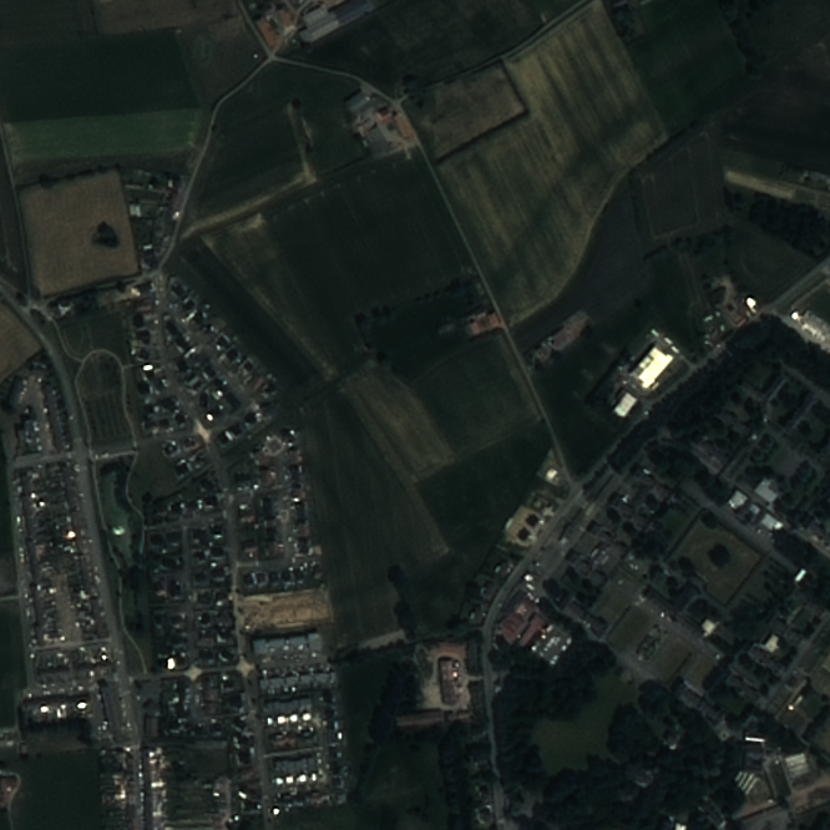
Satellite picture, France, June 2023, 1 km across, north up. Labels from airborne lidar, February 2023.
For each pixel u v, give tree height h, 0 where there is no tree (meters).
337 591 0
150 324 0
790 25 0
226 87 0
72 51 0
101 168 8
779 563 6
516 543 0
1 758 0
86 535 0
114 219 0
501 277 0
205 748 0
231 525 0
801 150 0
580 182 0
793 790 0
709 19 0
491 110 0
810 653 0
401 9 0
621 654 0
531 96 0
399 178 0
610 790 23
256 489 0
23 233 0
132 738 0
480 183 0
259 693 0
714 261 0
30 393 0
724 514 0
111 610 0
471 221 0
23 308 0
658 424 15
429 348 0
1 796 0
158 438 0
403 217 0
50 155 0
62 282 0
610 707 0
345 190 0
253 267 0
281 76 0
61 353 0
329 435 0
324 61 0
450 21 0
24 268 0
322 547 0
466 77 0
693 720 21
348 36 0
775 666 0
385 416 0
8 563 0
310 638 0
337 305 0
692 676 0
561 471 0
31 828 0
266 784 0
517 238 0
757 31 0
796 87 0
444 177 0
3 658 0
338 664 13
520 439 0
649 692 19
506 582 0
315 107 0
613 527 0
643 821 17
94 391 0
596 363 0
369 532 0
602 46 0
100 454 0
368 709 0
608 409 17
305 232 0
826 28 0
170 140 0
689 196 0
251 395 0
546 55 0
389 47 0
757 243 0
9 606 0
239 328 0
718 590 0
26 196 0
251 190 0
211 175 0
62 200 0
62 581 0
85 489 0
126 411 0
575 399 0
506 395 0
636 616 0
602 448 0
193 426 0
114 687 0
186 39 0
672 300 0
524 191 0
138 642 0
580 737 0
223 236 0
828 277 0
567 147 0
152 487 0
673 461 22
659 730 0
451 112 0
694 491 0
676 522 0
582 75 0
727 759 20
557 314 0
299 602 0
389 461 0
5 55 0
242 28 0
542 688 22
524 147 0
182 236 0
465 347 0
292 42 0
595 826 11
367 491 0
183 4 0
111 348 0
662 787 19
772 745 15
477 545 0
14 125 0
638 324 0
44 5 0
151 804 0
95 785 0
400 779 0
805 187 0
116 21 0
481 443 0
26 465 0
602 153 0
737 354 23
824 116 0
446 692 0
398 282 0
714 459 0
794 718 0
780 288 0
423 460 0
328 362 0
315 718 0
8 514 0
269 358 0
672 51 0
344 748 0
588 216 0
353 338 0
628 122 0
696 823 18
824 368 24
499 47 0
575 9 0
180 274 0
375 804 0
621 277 0
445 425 0
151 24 0
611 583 0
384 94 0
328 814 0
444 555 0
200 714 0
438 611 0
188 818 0
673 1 0
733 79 0
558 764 0
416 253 0
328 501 0
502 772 18
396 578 25
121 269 0
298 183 0
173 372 0
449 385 0
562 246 0
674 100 0
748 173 0
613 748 17
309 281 0
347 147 0
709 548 0
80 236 0
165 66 0
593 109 0
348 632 0
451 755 15
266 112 0
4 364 0
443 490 0
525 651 13
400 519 0
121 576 7
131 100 0
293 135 0
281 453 0
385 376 0
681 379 0
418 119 0
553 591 19
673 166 0
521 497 0
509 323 0
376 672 0
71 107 0
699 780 18
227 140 0
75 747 0
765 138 0
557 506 0
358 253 0
